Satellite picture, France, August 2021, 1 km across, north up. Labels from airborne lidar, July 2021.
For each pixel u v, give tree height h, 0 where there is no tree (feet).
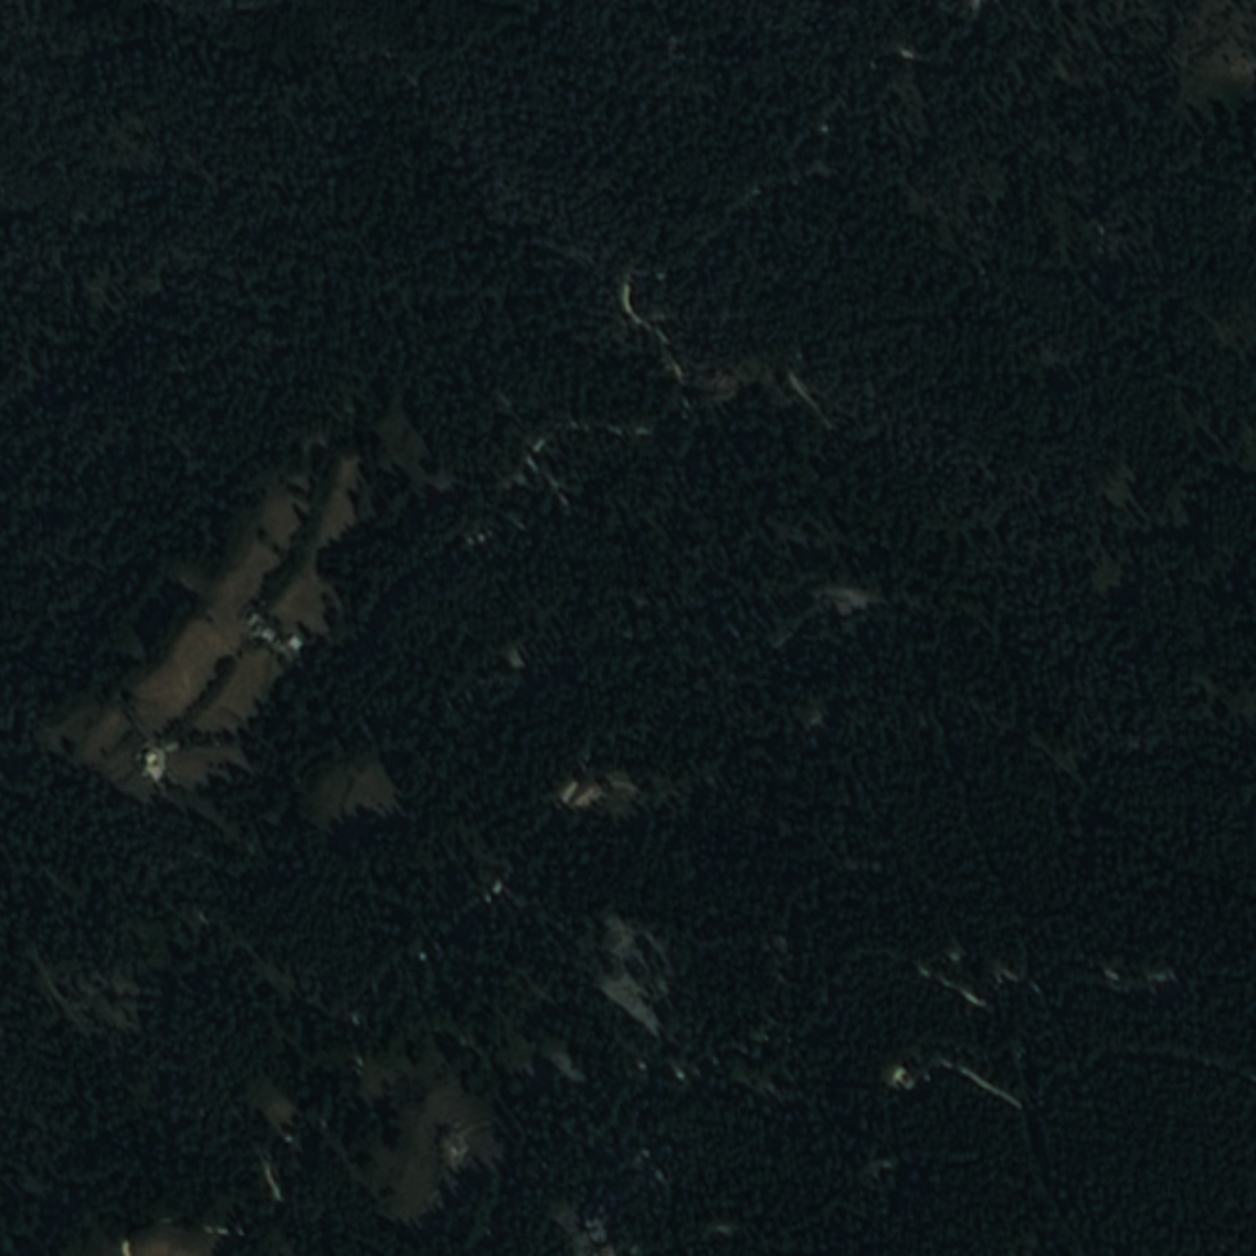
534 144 48
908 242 70
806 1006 64
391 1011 53
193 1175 90
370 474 32
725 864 64
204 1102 68
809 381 41
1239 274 68
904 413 40
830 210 70
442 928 90
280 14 50
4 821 34
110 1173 83
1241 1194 47
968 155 59
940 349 74
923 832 57
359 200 67
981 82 86
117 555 71
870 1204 62
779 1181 48
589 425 64
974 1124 58
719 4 55
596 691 56
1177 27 62
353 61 51
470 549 81
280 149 52
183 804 0
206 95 43
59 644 42
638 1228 64
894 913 54
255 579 0
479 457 64
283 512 0
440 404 72
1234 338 0
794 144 40
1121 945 68
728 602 41
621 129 54
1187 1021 63
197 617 59
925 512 72
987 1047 58
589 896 55
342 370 67
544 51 55
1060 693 75
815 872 70
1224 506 91
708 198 65
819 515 73
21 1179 58
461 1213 99
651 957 57
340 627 51
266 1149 52
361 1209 71
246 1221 71
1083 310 79
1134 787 78
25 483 75
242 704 0
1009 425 72
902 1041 63
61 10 70
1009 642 53
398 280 68
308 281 60
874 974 48
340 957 81
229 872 41
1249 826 55
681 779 39
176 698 0
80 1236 91
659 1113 40
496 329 58
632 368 45
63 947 47
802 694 62
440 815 73
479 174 59
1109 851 93
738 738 49
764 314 58
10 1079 62
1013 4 65
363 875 111
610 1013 60
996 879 51
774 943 41
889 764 75
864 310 55
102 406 45
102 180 56
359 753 63
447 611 74
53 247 68
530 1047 72
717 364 52
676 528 37
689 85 60
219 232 73
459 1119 0
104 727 0
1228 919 45
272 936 63
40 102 42
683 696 61
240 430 59
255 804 22
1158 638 64
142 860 58
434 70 57
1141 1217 56
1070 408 79
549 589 55
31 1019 82
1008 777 76
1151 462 83
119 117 35
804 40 50
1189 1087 55
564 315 54
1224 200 49
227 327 49
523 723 55
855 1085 49
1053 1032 57
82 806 87
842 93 52
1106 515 76
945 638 43
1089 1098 53
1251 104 0
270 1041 89
